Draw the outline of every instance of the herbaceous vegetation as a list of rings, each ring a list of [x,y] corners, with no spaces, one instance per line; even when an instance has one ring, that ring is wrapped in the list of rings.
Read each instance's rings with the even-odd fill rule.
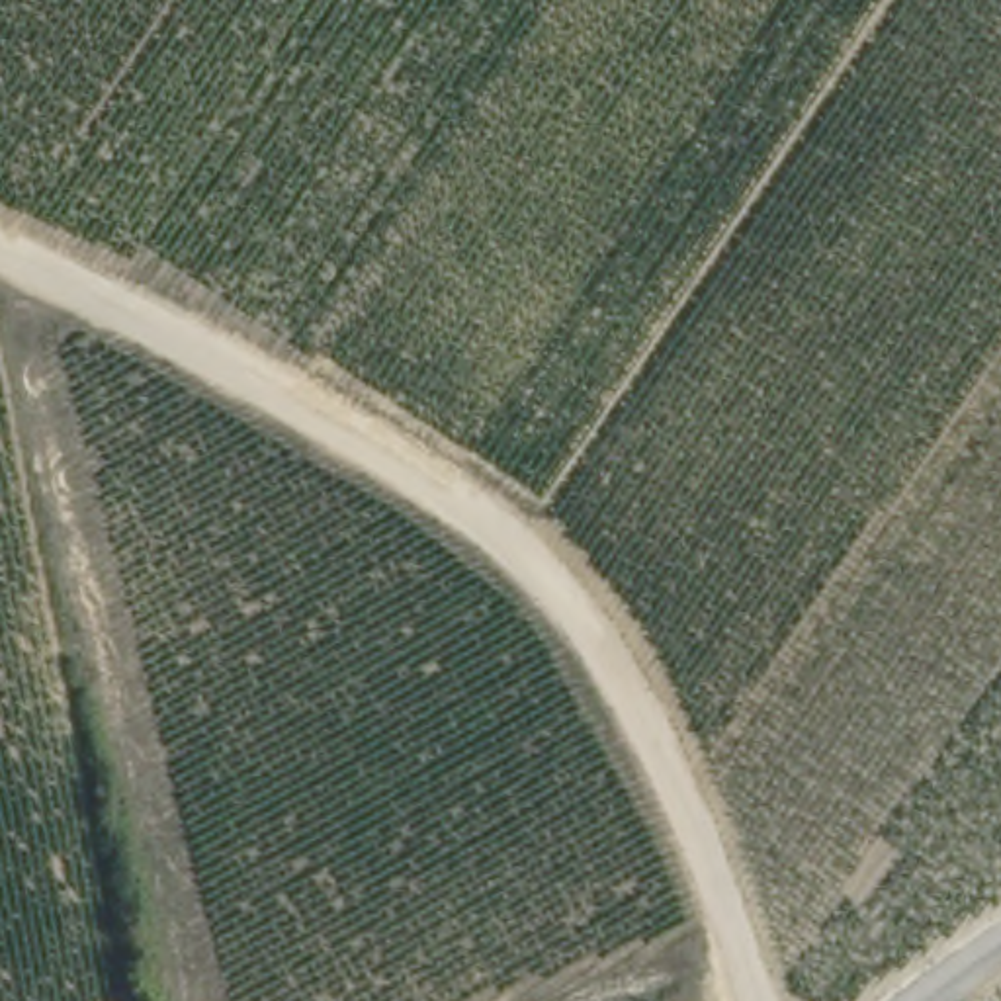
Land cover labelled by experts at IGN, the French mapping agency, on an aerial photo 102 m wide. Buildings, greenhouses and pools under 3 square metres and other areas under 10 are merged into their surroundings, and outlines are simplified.
[[[684,989],[680,981],[665,981],[649,993],[614,1001],[704,1001],[704,985]]]

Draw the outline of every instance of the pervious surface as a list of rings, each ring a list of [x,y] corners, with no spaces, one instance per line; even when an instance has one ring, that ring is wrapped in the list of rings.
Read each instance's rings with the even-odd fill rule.
[[[618,630],[594,610],[579,579],[551,555],[551,547],[520,512],[512,512],[489,489],[481,489],[465,469],[430,457],[422,442],[411,442],[395,426],[356,411],[344,395],[325,391],[297,364],[274,360],[262,348],[215,328],[211,321],[145,293],[141,285],[106,278],[63,250],[51,250],[39,239],[0,227],[0,278],[23,293],[35,293],[82,317],[90,328],[102,328],[113,340],[129,340],[160,360],[172,360],[180,371],[203,379],[215,395],[254,407],[258,414],[309,438],[321,454],[375,477],[383,489],[391,489],[395,497],[411,501],[414,508],[430,512],[434,520],[465,536],[473,547],[481,547],[524,590],[524,598],[540,606],[540,614],[579,653],[598,696],[614,712],[614,723],[626,747],[633,751],[645,786],[657,798],[669,845],[680,856],[688,903],[704,919],[704,985],[704,1001],[798,1001],[786,993],[786,981],[774,981],[766,974],[755,927],[735,884],[735,868],[719,841],[719,825],[708,813],[696,778],[680,755],[669,708],[645,688]]]

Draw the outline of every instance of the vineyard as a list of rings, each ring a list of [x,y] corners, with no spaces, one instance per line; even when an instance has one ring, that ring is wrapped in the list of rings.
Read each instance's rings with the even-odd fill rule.
[[[481,489],[489,489],[512,512],[520,512],[551,547],[551,555],[579,579],[594,610],[618,630],[645,688],[669,708],[680,755],[696,778],[708,813],[719,825],[719,841],[735,868],[735,884],[755,927],[766,974],[774,981],[786,981],[786,993],[798,1001],[856,1001],[868,981],[903,970],[911,954],[923,954],[931,946],[931,938],[950,938],[970,958],[1001,942],[1001,0],[0,0],[0,227],[39,239],[51,250],[63,250],[106,278],[141,285],[145,293],[211,321],[215,328],[262,348],[274,360],[297,364],[325,391],[344,395],[356,411],[395,426],[411,442],[422,442],[430,457],[465,469]]]
[[[524,598],[524,590],[481,547],[473,547],[465,536],[434,520],[430,512],[414,508],[411,501],[395,497],[391,489],[383,489],[375,477],[321,454],[309,438],[258,414],[254,407],[215,395],[203,379],[180,371],[172,360],[160,360],[129,340],[113,340],[102,328],[90,328],[82,317],[35,293],[23,293],[0,278],[0,1001],[614,1001],[649,993],[665,981],[680,981],[684,989],[704,985],[704,919],[688,903],[680,856],[669,845],[657,798],[645,786],[633,751],[626,747],[614,723],[614,712],[598,696],[579,653],[540,614],[540,606]]]

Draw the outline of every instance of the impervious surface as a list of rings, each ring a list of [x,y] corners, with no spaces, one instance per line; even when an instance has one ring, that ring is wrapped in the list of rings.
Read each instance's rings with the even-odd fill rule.
[[[970,958],[950,938],[931,938],[931,946],[923,954],[911,954],[903,970],[868,981],[856,1001],[1001,1001],[1001,942]]]

